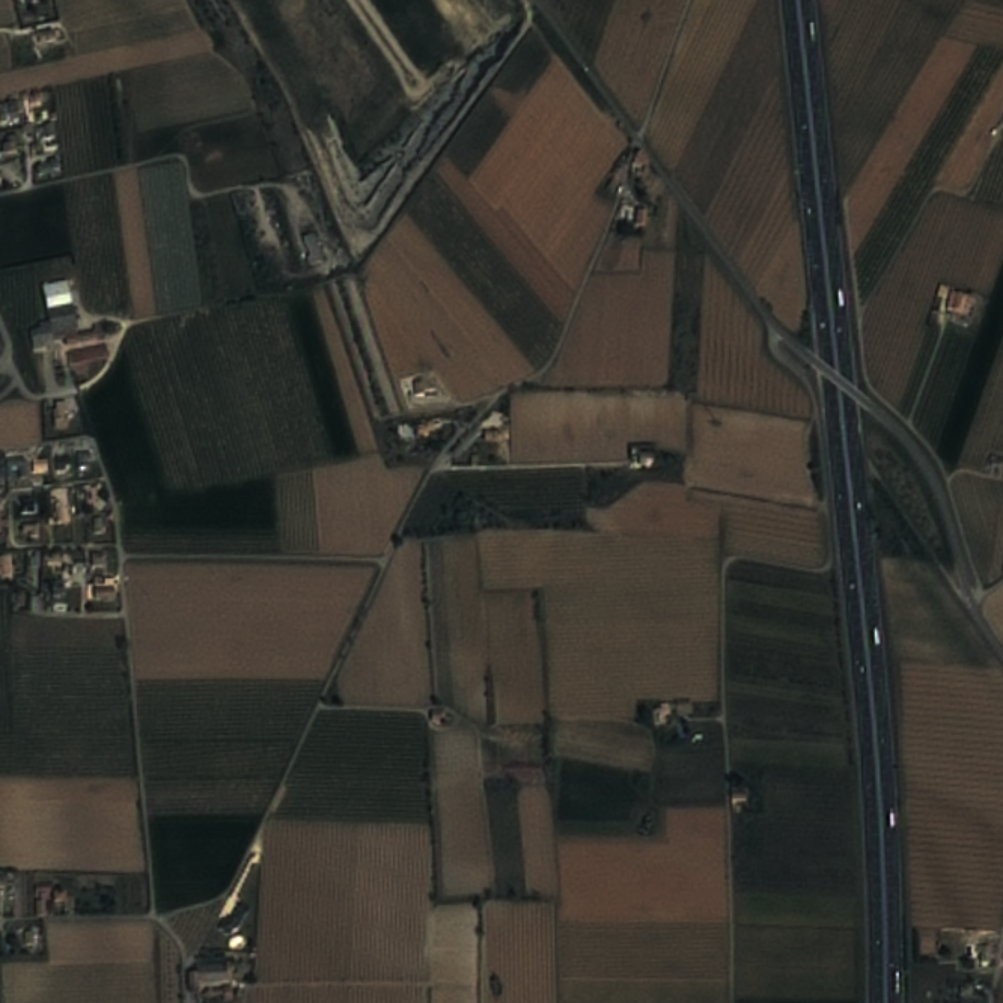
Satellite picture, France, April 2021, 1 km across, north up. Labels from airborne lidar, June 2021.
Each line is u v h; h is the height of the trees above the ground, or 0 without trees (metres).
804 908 0
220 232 0
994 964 7
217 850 0
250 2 0
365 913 0
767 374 0
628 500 0
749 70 0
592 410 0
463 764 0
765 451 0
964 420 0
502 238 0
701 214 0
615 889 0
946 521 0
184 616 0
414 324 0
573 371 0
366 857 0
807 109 0
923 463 0
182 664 0
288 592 0
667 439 0
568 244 0
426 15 0
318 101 0
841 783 0
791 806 0
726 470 0
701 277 0
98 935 0
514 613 0
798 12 0
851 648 0
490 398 0
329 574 0
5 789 0
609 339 0
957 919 0
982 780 0
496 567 0
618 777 0
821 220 0
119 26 0
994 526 0
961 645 0
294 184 0
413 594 0
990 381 0
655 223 0
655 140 0
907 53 0
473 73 0
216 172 0
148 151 0
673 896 0
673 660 0
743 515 0
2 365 0
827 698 0
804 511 0
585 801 0
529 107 0
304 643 0
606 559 0
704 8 0
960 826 0
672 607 0
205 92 0
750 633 0
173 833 0
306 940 0
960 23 0
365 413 0
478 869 0
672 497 0
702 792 0
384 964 0
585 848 0
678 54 0
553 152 0
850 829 0
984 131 0
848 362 0
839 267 0
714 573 0
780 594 0
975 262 0
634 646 0
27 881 0
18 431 0
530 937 0
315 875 0
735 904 0
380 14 0
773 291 0
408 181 0
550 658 0
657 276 0
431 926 0
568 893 0
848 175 0
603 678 0
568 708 0
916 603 0
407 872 0
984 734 0
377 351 0
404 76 0
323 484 0
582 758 0
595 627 0
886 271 0
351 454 0
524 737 0
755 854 0
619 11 0
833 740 0
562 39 0
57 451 0
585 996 0
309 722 0
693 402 0
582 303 0
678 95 0
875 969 0
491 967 0
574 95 0
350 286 0
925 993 0
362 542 0
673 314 0
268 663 0
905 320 0
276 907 0
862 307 0
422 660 0
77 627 0
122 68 0
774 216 0
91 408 0
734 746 0
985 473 0
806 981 0
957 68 0
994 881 0
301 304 0
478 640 0
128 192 0
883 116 0
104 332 11
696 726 0
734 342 0
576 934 0
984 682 0
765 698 0
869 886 0
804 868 0
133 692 0
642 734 0
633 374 0
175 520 0
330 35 0
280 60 0
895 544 10
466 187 0
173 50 0
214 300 0
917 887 0
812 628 0
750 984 0
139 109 0
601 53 0
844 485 0
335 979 0
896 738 0
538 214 0
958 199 0
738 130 0
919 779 0
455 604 0
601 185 0
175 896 0
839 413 0
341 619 0
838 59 0
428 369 0
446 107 0
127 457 0
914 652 0
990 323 0
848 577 0
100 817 0
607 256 0
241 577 0
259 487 0
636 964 0
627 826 0
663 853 0
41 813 0
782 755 0
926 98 0
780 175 0
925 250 0
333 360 0
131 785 0
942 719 0
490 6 0
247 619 0
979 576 0
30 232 0
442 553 0
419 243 0
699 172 0
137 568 0
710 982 0
